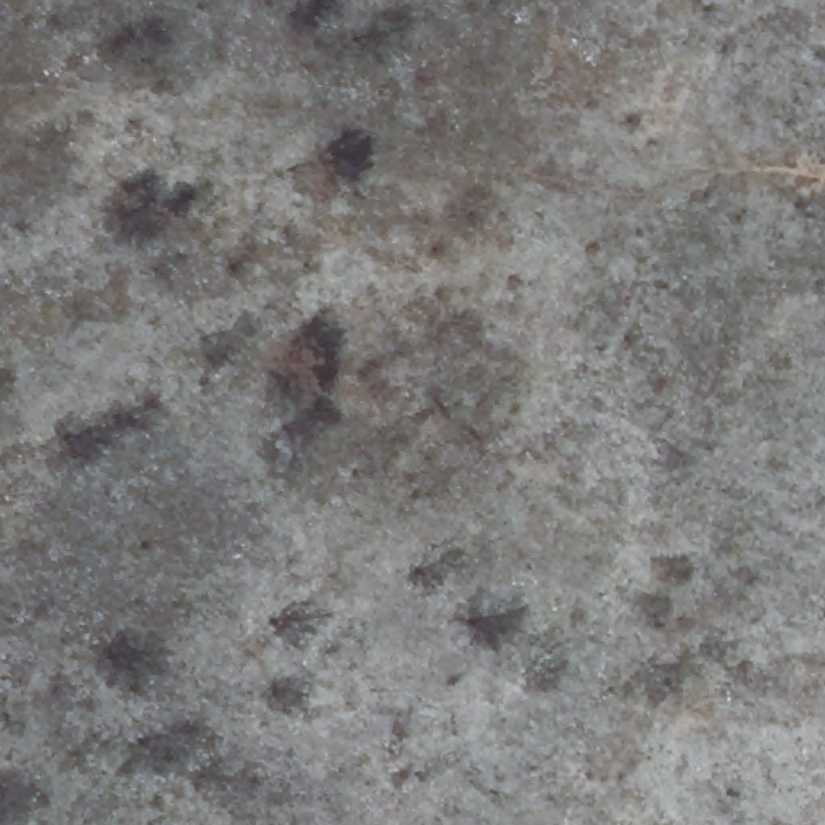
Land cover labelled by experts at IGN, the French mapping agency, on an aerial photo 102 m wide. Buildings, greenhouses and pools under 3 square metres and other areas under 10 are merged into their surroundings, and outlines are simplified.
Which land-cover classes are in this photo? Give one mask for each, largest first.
<instances>
[{"label":"bare soil","instance_id":"1","mask_svg":"<svg viewBox=\"0 0 825 825\"><path fill-rule=\"evenodd\" d=\"M0 825H825V0H0Z\"/></svg>","mask_w":825,"mask_h":825}]
</instances>
